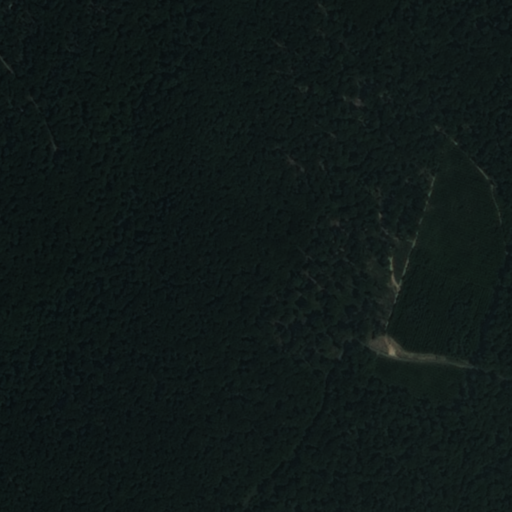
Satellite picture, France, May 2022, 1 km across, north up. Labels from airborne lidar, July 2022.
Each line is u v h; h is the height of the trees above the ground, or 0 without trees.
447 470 30
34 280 29
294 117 29
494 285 8
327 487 34
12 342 26
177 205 31
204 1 30
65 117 29
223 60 26
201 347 28
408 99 26
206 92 25
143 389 29
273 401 32
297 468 36
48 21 25
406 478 27
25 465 24
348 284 0
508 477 29
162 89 28
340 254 36
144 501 29
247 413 31
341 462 32
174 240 28
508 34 30
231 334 31
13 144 28
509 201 31
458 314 17
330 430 33
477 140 27
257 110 25
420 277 7
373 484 27
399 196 31
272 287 30
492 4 31
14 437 31
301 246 33
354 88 37
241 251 31
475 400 34
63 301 23
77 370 31
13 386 33
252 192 26
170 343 28
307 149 31
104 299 30
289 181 28
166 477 29
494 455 30
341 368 33
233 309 27
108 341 29
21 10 26
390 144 31
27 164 28
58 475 23
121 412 28
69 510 29
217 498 28
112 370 34
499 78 6
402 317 7
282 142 30
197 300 28
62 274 28
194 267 26
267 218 28
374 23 18
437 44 30
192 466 28
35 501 29
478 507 31
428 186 21
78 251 25
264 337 27
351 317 31
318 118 35
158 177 28
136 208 25
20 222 26
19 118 28
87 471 26
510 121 31
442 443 33
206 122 21
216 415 30
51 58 26
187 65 26
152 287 30
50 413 23
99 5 22
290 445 24
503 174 31
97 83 29
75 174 24
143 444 25
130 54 31
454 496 31
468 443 28
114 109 30
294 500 33
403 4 28
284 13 26
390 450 30
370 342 0
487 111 27
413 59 28
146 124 29
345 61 34
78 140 33
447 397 5
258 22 25
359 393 31
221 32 25
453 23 27
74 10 26
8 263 27
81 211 28
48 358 28
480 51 33
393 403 30
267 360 30
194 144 22
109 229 23
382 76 34
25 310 20
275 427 27
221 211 27
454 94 33
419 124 30
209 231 25
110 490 30
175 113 29
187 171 26
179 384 28
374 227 27
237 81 25
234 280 32
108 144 23
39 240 27
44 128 28
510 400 29
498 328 31
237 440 31
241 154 25
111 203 27
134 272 33
